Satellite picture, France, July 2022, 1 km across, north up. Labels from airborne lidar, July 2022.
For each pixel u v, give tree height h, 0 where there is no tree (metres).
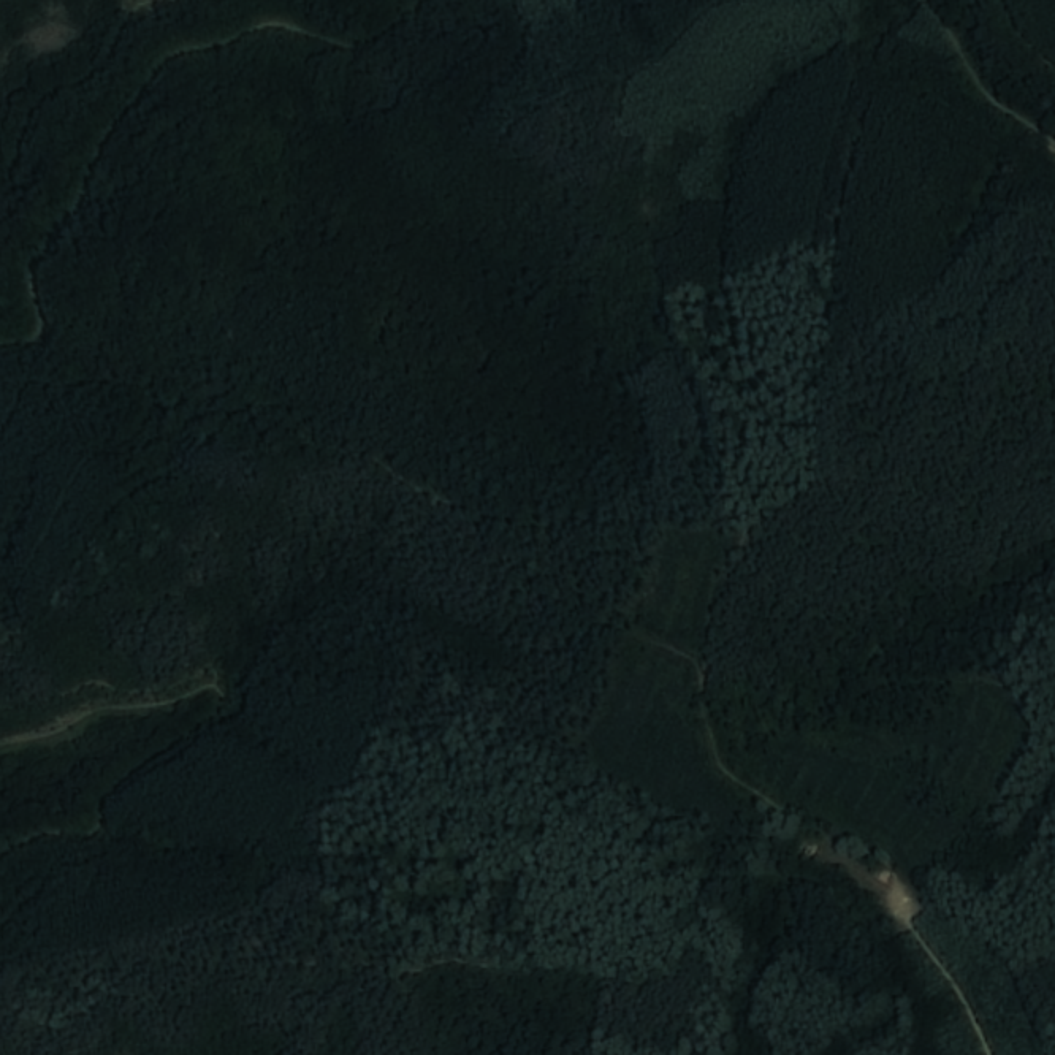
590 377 14
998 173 8
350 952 17
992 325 28
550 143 16
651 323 8
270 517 13
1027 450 20
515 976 9
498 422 19
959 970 9
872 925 15
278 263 25
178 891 23
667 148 7
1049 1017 22
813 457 21
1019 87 24
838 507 22
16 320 10
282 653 19
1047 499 25
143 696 11
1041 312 19
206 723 7
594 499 16
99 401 11
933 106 19
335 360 18
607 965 29
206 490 20
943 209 17
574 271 9
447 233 18
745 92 20
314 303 24
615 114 12
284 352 18
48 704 12
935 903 20
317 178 18
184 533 14
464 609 23
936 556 27
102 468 14
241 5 15
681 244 25
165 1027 18
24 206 17
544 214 10
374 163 19
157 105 12
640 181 7
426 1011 10
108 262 18
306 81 20
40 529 16
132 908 24
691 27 13
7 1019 15
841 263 23
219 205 12
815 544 24
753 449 32
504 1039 20
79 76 10
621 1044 28
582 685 22
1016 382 21
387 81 6
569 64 17
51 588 17
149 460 13
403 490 19
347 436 25
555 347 21
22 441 17
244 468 21
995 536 22
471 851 27
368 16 16
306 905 16
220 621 14
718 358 30
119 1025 13
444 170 19
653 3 22
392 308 19
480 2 6
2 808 20
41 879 11
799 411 28
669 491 27
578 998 11
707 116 19
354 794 25
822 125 23
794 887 24
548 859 27
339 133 24
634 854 25
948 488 23
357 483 18
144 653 24
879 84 18
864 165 20
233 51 15
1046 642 24
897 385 22
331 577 27
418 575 24
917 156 22
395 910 28
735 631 27
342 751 19
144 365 24
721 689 20
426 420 23
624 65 16
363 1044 18
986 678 29
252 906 19
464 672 20
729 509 28
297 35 9
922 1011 16
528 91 19
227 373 8
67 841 15
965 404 26
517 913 26
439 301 19
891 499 22
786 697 13
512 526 19
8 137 19
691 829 31
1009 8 18
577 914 25
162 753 13
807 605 24
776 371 24
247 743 19
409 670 21
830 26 19
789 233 23
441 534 19
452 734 30
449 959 8
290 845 17
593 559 21
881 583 29
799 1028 24
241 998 19
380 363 17
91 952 20
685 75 13
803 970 26
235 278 18
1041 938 27
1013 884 28
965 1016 10
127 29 16
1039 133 16
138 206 22
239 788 21
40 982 9
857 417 9
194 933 20
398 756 27
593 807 30
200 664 15
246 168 12
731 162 18
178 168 14
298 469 14
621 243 10
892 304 23
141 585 14
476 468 23
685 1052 26
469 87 21
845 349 20
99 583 10
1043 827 29
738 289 22
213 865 17
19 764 14
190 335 16
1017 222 26
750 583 24
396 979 16
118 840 19
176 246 19
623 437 20
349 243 14
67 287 19
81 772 23
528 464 23
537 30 16
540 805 31
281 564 22
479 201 16
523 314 15
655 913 29
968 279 27
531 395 21
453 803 30
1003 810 27
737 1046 14
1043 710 34
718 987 24
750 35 16
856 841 22
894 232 20
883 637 23
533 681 14
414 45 13
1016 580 21
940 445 25
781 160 26
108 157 16
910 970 11
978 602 17
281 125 12
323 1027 15
